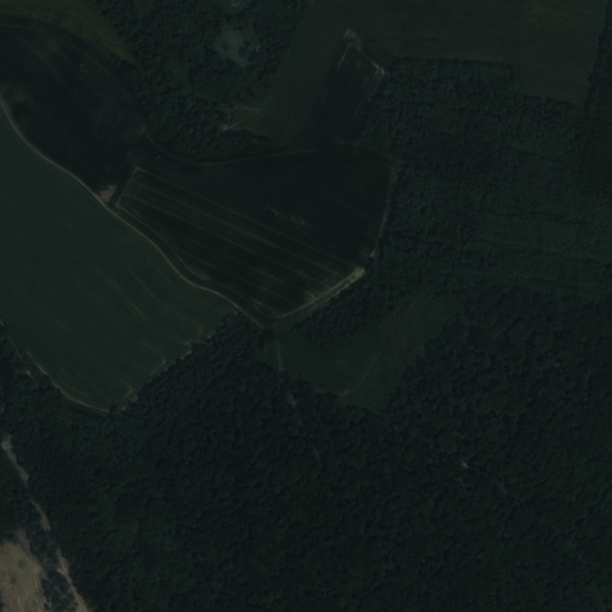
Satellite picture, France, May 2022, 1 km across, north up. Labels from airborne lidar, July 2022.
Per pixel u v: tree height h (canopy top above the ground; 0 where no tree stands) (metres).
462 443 26
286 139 0
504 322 27
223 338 10
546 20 0
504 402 32
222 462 30
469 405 32
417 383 12
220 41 0
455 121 22
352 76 0
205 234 0
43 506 27
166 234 0
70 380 0
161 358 0
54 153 0
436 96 24
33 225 0
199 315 0
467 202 24
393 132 28
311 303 0
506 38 0
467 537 25
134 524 24
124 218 0
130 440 24
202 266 0
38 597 0
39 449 26
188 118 30
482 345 33
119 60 8
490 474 29
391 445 27
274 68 18
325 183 0
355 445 26
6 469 23
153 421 21
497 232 23
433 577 27
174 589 23
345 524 28
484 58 0
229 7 0
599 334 25
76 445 30
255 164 0
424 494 29
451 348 29
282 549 27
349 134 0
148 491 24
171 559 24
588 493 19
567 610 24
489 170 28
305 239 0
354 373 0
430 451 29
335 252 0
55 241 0
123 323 0
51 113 0
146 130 0
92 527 25
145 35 25
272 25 22
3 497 26
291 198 0
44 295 0
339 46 0
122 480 24
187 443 27
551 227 24
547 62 0
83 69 0
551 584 24
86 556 25
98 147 0
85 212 0
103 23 0
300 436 18
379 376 0
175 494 31
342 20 0
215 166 0
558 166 25
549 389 31
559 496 25
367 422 24
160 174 0
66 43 0
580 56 0
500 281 22
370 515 27
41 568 0
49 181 0
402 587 25
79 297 0
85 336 0
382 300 22
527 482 24
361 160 0
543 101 16
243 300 0
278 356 0
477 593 22
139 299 0
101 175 0
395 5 0
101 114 0
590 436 27
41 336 0
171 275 0
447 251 19
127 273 0
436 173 24
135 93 18
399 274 19
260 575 31
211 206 0
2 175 0
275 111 0
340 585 29
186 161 0
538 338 32
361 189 0
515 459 30
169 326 0
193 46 24
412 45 0
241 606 31
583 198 24
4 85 0
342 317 19
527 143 17
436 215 27
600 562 24
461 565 29
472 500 21
